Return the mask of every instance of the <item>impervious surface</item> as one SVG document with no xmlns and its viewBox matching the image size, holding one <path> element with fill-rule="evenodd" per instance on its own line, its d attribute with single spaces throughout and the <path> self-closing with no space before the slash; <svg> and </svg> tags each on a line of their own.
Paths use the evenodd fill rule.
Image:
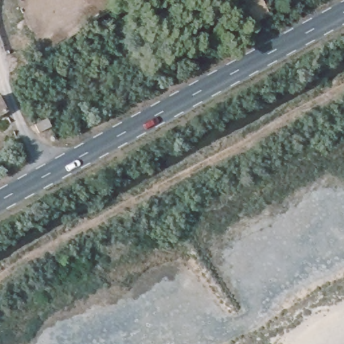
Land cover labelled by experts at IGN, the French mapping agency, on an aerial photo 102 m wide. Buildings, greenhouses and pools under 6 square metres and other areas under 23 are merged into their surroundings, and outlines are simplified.
<svg viewBox="0 0 344 344">
<path fill-rule="evenodd" d="M 271 39 L 270 51 L 254 50 L 246 54 L 243 54 L 241 59 L 223 66 L 215 74 L 204 73 L 195 78 L 196 83 L 185 86 L 172 97 L 161 99 L 155 106 L 146 107 L 138 116 L 128 118 L 116 128 L 103 130 L 101 136 L 91 138 L 79 148 L 69 149 L 59 159 L 52 159 L 42 168 L 28 173 L 23 179 L 9 181 L 7 187 L 0 189 L 0 212 L 13 203 L 21 202 L 31 193 L 39 192 L 44 185 L 59 181 L 67 171 L 79 167 L 79 164 L 93 163 L 103 153 L 113 152 L 118 145 L 134 140 L 138 134 L 155 128 L 161 121 L 171 120 L 175 114 L 191 109 L 195 103 L 206 101 L 216 91 L 226 90 L 232 83 L 243 81 L 254 71 L 265 69 L 273 60 L 282 59 L 290 51 L 304 48 L 310 40 L 320 39 L 325 32 L 336 30 L 344 24 L 344 0 L 328 0 L 327 3 L 331 5 L 329 11 L 314 16 L 308 23 L 298 24 L 288 34 L 284 32 L 279 32 L 277 38 Z"/>
</svg>

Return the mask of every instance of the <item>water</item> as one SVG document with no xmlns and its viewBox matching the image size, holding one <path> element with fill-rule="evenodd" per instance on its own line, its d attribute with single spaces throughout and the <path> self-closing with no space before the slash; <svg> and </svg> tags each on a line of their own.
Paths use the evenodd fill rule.
<svg viewBox="0 0 344 344">
<path fill-rule="evenodd" d="M 62 220 L 55 218 L 48 220 L 43 230 L 28 228 L 17 239 L 15 245 L 8 245 L 7 249 L 0 250 L 0 261 L 21 246 L 46 235 L 52 228 L 62 224 Z"/>
<path fill-rule="evenodd" d="M 344 56 L 335 67 L 321 66 L 314 70 L 312 81 L 306 82 L 302 89 L 294 93 L 278 93 L 273 102 L 266 101 L 258 109 L 247 110 L 245 116 L 227 121 L 223 130 L 206 130 L 200 134 L 198 140 L 188 146 L 187 150 L 180 150 L 177 155 L 165 153 L 159 159 L 160 167 L 164 169 L 172 167 L 219 138 L 257 121 L 259 117 L 273 112 L 275 107 L 282 103 L 308 93 L 317 85 L 325 87 L 331 87 L 333 79 L 344 73 Z"/>
<path fill-rule="evenodd" d="M 149 180 L 148 173 L 140 173 L 137 177 L 121 173 L 120 184 L 114 185 L 110 192 L 117 199 L 130 188 Z"/>
</svg>

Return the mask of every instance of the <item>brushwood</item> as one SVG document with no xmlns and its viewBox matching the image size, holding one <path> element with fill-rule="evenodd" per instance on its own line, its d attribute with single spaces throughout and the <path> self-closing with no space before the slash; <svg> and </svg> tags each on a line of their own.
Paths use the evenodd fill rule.
<svg viewBox="0 0 344 344">
<path fill-rule="evenodd" d="M 212 263 L 210 249 L 199 251 L 200 262 L 210 271 L 235 310 L 241 309 L 238 298 L 228 288 Z"/>
<path fill-rule="evenodd" d="M 271 337 L 284 335 L 290 329 L 297 328 L 302 318 L 312 314 L 313 308 L 337 305 L 344 301 L 344 275 L 343 278 L 317 286 L 304 298 L 297 298 L 290 308 L 281 310 L 281 313 L 270 318 L 257 331 L 239 335 L 232 339 L 231 343 L 224 341 L 222 344 L 271 344 Z"/>
<path fill-rule="evenodd" d="M 85 179 L 75 180 L 70 187 L 46 193 L 39 199 L 39 207 L 32 214 L 19 212 L 0 222 L 0 250 L 7 249 L 8 245 L 15 245 L 17 239 L 28 228 L 43 230 L 48 220 L 55 218 L 62 220 L 62 224 L 66 224 L 66 227 L 74 228 L 81 218 L 94 218 L 117 204 L 117 199 L 110 192 L 114 185 L 120 184 L 121 173 L 137 177 L 140 173 L 148 173 L 149 180 L 159 181 L 160 177 L 159 173 L 164 169 L 160 167 L 159 159 L 165 153 L 177 155 L 180 150 L 187 150 L 188 146 L 198 140 L 200 134 L 206 130 L 223 130 L 227 121 L 245 116 L 247 110 L 258 109 L 266 101 L 273 102 L 278 93 L 294 93 L 302 89 L 306 82 L 312 81 L 314 70 L 321 66 L 335 67 L 344 56 L 344 47 L 324 47 L 321 55 L 313 51 L 305 52 L 300 55 L 298 62 L 292 60 L 286 63 L 282 69 L 262 79 L 257 85 L 241 91 L 239 95 L 232 95 L 227 101 L 219 102 L 211 109 L 204 110 L 184 126 L 168 130 L 164 137 L 140 146 L 128 159 L 122 160 L 122 163 L 113 165 L 112 168 L 99 169 L 95 175 L 86 176 Z"/>
<path fill-rule="evenodd" d="M 38 337 L 42 329 L 44 321 L 51 314 L 58 310 L 70 312 L 78 300 L 87 300 L 90 294 L 97 293 L 98 289 L 112 288 L 109 273 L 113 267 L 145 263 L 153 249 L 177 249 L 181 241 L 187 241 L 200 222 L 200 212 L 193 210 L 196 206 L 206 208 L 207 196 L 220 198 L 223 189 L 228 191 L 228 184 L 235 187 L 239 181 L 243 185 L 249 185 L 251 181 L 258 183 L 261 177 L 266 179 L 267 175 L 275 173 L 273 167 L 279 164 L 284 167 L 293 164 L 298 157 L 297 152 L 302 150 L 304 156 L 308 155 L 309 146 L 320 150 L 322 156 L 327 156 L 325 148 L 331 148 L 332 144 L 339 145 L 341 140 L 344 140 L 344 95 L 341 102 L 329 101 L 325 106 L 312 107 L 310 112 L 297 118 L 292 126 L 275 129 L 246 152 L 228 157 L 218 165 L 207 165 L 200 171 L 191 173 L 191 176 L 173 185 L 168 191 L 157 192 L 149 199 L 148 207 L 137 204 L 125 207 L 120 216 L 107 219 L 107 224 L 99 224 L 98 227 L 79 232 L 60 246 L 56 253 L 46 253 L 42 258 L 28 261 L 23 275 L 8 275 L 0 282 L 0 344 L 28 344 Z"/>
</svg>

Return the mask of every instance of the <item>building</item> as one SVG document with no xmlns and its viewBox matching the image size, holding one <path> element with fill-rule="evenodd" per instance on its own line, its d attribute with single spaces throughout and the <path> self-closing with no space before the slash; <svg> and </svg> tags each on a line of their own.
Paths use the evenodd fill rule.
<svg viewBox="0 0 344 344">
<path fill-rule="evenodd" d="M 266 12 L 270 8 L 265 0 L 228 0 L 231 7 L 238 8 L 255 23 L 267 15 Z"/>
</svg>

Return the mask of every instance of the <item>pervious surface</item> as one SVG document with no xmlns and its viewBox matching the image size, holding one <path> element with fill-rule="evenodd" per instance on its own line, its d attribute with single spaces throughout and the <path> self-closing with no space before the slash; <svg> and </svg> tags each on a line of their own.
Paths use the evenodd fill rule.
<svg viewBox="0 0 344 344">
<path fill-rule="evenodd" d="M 231 224 L 224 234 L 212 234 L 210 249 L 212 263 L 228 288 L 238 298 L 241 309 L 235 310 L 210 271 L 200 262 L 189 259 L 188 265 L 185 266 L 187 269 L 183 273 L 177 273 L 172 281 L 168 278 L 161 279 L 137 300 L 121 298 L 114 305 L 93 305 L 85 313 L 56 321 L 54 327 L 43 331 L 42 329 L 38 337 L 28 344 L 222 344 L 224 341 L 231 343 L 232 339 L 239 335 L 257 331 L 270 318 L 281 313 L 281 310 L 290 308 L 297 298 L 304 298 L 317 286 L 343 278 L 344 275 L 344 180 L 327 173 L 312 184 L 289 193 L 284 203 L 273 202 L 254 218 L 239 219 L 238 222 Z"/>
<path fill-rule="evenodd" d="M 20 142 L 26 153 L 28 165 L 24 168 L 28 173 L 42 168 L 52 159 L 59 159 L 69 149 L 42 142 L 36 145 L 34 140 L 26 137 L 30 129 L 19 112 L 19 102 L 11 93 L 9 83 L 9 71 L 15 69 L 16 60 L 4 50 L 3 40 L 0 38 L 0 120 L 13 116 L 16 129 L 21 134 L 15 142 Z"/>
<path fill-rule="evenodd" d="M 149 199 L 157 192 L 168 191 L 173 185 L 191 176 L 191 173 L 200 171 L 207 165 L 218 165 L 228 157 L 246 152 L 275 129 L 292 126 L 297 118 L 310 112 L 312 107 L 325 106 L 329 101 L 341 102 L 344 95 L 344 73 L 333 79 L 331 87 L 325 87 L 324 93 L 301 102 L 297 107 L 288 107 L 281 117 L 247 134 L 241 141 L 227 146 L 207 159 L 204 157 L 203 160 L 189 165 L 168 179 L 160 177 L 159 181 L 149 180 L 130 188 L 117 199 L 117 204 L 94 218 L 81 218 L 74 228 L 66 227 L 64 234 L 24 254 L 16 262 L 7 263 L 5 269 L 0 271 L 0 282 L 8 275 L 23 275 L 28 261 L 42 258 L 46 253 L 56 253 L 60 246 L 79 232 L 98 227 L 99 224 L 107 224 L 107 219 L 120 216 L 125 207 L 137 204 L 148 207 Z"/>
<path fill-rule="evenodd" d="M 297 328 L 290 329 L 284 335 L 271 337 L 271 344 L 344 344 L 344 301 L 337 305 L 313 308 L 312 314 L 302 318 Z"/>
</svg>

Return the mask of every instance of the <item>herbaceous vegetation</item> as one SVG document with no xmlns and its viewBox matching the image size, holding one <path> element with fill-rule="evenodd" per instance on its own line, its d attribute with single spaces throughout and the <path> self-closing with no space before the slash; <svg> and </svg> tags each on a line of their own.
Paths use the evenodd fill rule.
<svg viewBox="0 0 344 344">
<path fill-rule="evenodd" d="M 64 234 L 66 227 L 66 224 L 62 224 L 52 228 L 46 235 L 21 246 L 0 261 L 0 271 L 5 269 L 7 263 L 16 262 L 24 254 Z"/>
<path fill-rule="evenodd" d="M 0 150 L 4 141 L 15 142 L 21 134 L 16 129 L 13 116 L 0 120 Z"/>
<path fill-rule="evenodd" d="M 288 34 L 298 24 L 308 23 L 314 16 L 329 11 L 331 5 L 327 3 L 328 0 L 322 0 L 312 13 L 302 17 L 292 27 L 285 28 L 284 32 Z"/>
<path fill-rule="evenodd" d="M 251 32 L 249 40 L 254 42 L 254 48 L 246 50 L 246 54 L 254 50 L 270 51 L 271 39 L 277 38 L 279 32 L 273 27 L 273 19 L 267 15 L 255 23 L 254 26 L 259 28 L 259 32 Z"/>
<path fill-rule="evenodd" d="M 87 300 L 78 300 L 70 312 L 58 310 L 51 314 L 44 321 L 42 329 L 43 331 L 54 327 L 56 321 L 85 313 L 93 305 L 114 305 L 121 298 L 137 300 L 161 279 L 168 278 L 172 281 L 177 273 L 183 273 L 187 269 L 185 266 L 188 265 L 189 259 L 200 262 L 199 251 L 210 249 L 212 234 L 224 234 L 231 224 L 238 222 L 239 219 L 254 218 L 273 202 L 284 203 L 289 193 L 312 184 L 327 173 L 344 180 L 344 140 L 341 140 L 339 145 L 332 144 L 331 148 L 325 148 L 327 156 L 322 156 L 320 150 L 309 146 L 308 155 L 304 156 L 302 150 L 297 152 L 298 157 L 293 164 L 284 167 L 279 164 L 273 167 L 275 173 L 267 175 L 266 179 L 261 177 L 258 183 L 251 181 L 249 185 L 243 185 L 239 181 L 235 187 L 228 184 L 228 191 L 223 189 L 220 198 L 207 196 L 206 208 L 196 206 L 193 210 L 200 212 L 200 222 L 187 241 L 181 241 L 177 249 L 153 249 L 145 263 L 113 267 L 109 273 L 112 288 L 98 289 L 97 293 L 90 294 Z"/>
<path fill-rule="evenodd" d="M 305 52 L 313 51 L 321 55 L 324 47 L 344 47 L 344 24 L 336 30 L 325 32 L 320 39 L 310 40 L 304 48 L 290 51 L 282 59 L 273 60 L 265 69 L 254 71 L 243 81 L 232 83 L 226 90 L 216 91 L 206 101 L 195 103 L 191 109 L 175 114 L 171 120 L 161 121 L 155 128 L 138 134 L 134 140 L 118 145 L 113 152 L 103 153 L 93 163 L 79 164 L 79 167 L 67 171 L 59 181 L 44 185 L 39 192 L 31 193 L 21 202 L 13 203 L 0 212 L 0 222 L 19 212 L 32 214 L 39 207 L 39 199 L 46 193 L 70 187 L 75 180 L 85 179 L 86 176 L 95 175 L 99 169 L 112 168 L 113 165 L 122 163 L 122 160 L 128 159 L 140 146 L 164 137 L 168 130 L 184 126 L 204 110 L 211 109 L 219 102 L 227 101 L 232 95 L 239 95 L 241 91 L 257 85 L 262 79 L 282 69 L 286 63 L 292 60 L 298 62 L 300 55 Z"/>
<path fill-rule="evenodd" d="M 7 187 L 9 181 L 23 179 L 28 173 L 24 168 L 20 169 L 17 165 L 0 159 L 0 189 Z"/>
<path fill-rule="evenodd" d="M 219 138 L 172 167 L 164 169 L 159 173 L 160 177 L 168 179 L 189 165 L 203 160 L 204 157 L 207 159 L 227 146 L 241 141 L 247 134 L 281 117 L 288 107 L 297 107 L 301 102 L 324 93 L 325 87 L 317 85 L 308 93 L 282 103 L 275 107 L 273 112 L 259 117 L 257 121 Z"/>
<path fill-rule="evenodd" d="M 81 30 L 89 17 L 98 17 L 99 12 L 105 11 L 110 0 L 0 0 L 0 38 L 3 40 L 4 50 L 16 60 L 15 69 L 9 71 L 9 83 L 11 93 L 19 102 L 19 112 L 30 129 L 26 137 L 34 140 L 36 145 L 42 142 L 69 149 L 79 148 L 91 138 L 101 136 L 103 130 L 116 128 L 128 118 L 138 116 L 146 107 L 155 106 L 161 99 L 172 97 L 185 86 L 196 83 L 195 78 L 169 86 L 167 93 L 137 103 L 137 106 L 132 107 L 128 113 L 121 114 L 114 120 L 102 122 L 89 132 L 78 136 L 55 138 L 50 120 L 38 121 L 35 124 L 32 121 L 31 103 L 19 97 L 20 93 L 26 93 L 27 90 L 19 87 L 24 85 L 24 71 L 27 70 L 28 64 L 24 51 L 38 39 L 50 39 L 52 46 L 55 47 L 62 40 L 71 38 Z"/>
</svg>

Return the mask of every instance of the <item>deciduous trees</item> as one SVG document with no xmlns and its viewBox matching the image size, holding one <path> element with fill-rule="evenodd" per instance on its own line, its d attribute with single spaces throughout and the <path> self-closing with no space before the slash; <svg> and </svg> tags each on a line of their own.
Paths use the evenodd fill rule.
<svg viewBox="0 0 344 344">
<path fill-rule="evenodd" d="M 26 153 L 20 142 L 15 142 L 4 141 L 0 150 L 0 159 L 17 165 L 20 169 L 24 168 L 28 165 Z"/>
<path fill-rule="evenodd" d="M 279 32 L 284 32 L 285 28 L 292 27 L 302 17 L 312 13 L 322 0 L 265 0 L 270 8 L 266 12 L 267 15 L 273 19 L 273 27 Z"/>
<path fill-rule="evenodd" d="M 55 47 L 52 46 L 50 39 L 38 39 L 24 51 L 28 64 L 27 70 L 24 71 L 24 85 L 19 87 L 27 90 L 26 93 L 20 93 L 19 97 L 31 103 L 32 121 L 35 124 L 38 121 L 50 120 L 55 138 L 78 136 L 89 132 L 102 122 L 114 120 L 121 114 L 128 113 L 132 107 L 137 106 L 137 103 L 167 93 L 169 86 L 195 78 L 204 73 L 215 74 L 223 66 L 241 59 L 243 54 L 246 54 L 246 50 L 254 48 L 254 42 L 249 40 L 251 32 L 259 32 L 259 28 L 254 26 L 255 23 L 238 8 L 231 7 L 228 0 L 110 0 L 105 11 L 99 12 L 98 17 L 89 17 L 81 30 L 71 38 L 62 40 Z"/>
</svg>

